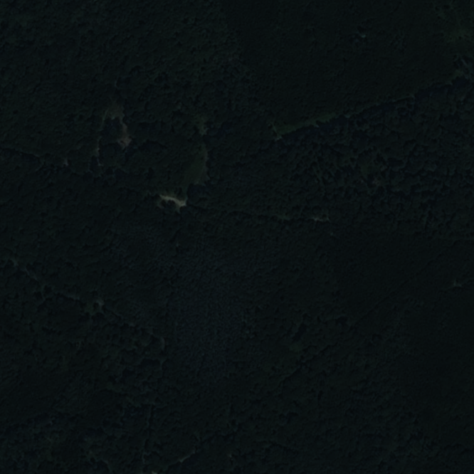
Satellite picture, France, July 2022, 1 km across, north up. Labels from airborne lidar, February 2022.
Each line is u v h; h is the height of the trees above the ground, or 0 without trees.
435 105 28
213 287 20
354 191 31
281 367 24
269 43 14
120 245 24
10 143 25
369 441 32
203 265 19
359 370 20
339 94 15
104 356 7
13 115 25
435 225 19
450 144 34
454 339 15
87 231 28
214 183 21
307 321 25
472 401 12
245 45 16
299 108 13
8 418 14
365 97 9
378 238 17
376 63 12
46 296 10
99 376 13
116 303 20
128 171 20
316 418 15
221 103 28
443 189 29
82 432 8
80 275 23
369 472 25
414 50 16
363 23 10
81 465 6
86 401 13
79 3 34
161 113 27
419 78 14
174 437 20
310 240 23
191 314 23
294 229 20
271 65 14
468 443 14
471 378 18
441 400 19
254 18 17
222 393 24
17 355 18
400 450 28
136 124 29
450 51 10
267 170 23
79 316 11
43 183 26
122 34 23
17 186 25
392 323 17
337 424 20
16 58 26
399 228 20
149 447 18
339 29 6
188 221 19
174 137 28
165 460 21
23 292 31
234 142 22
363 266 19
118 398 8
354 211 18
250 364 26
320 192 26
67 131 30
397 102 6
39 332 25
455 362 17
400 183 35
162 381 22
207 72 27
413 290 17
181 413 21
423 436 36
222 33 25
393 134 37
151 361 27
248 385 24
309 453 22
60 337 23
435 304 15
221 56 23
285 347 32
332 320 30
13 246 22
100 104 25
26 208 26
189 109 26
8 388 15
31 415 12
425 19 14
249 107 26
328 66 14
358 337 24
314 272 21
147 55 26
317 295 25
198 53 26
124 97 27
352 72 13
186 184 0
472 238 9
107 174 23
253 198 21
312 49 10
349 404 13
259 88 13
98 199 22
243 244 20
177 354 24
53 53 30
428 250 16
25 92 28
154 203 22
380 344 27
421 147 26
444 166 37
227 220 20
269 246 22
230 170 23
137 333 19
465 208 30
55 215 27
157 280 20
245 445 30
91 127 25
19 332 12
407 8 14
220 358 23
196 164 0
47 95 31
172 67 26
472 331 12
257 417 26
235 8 17
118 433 27
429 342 16
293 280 23
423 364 14
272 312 20
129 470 14
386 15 12
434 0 10
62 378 14
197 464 25
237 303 25
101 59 25
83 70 27
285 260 27
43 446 22
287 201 22
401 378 11
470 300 13
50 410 15
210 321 24
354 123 32
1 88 22
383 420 28
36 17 26
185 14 21
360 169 37
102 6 33
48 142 27
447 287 10
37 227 23
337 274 15
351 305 18
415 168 38
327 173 30
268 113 25
